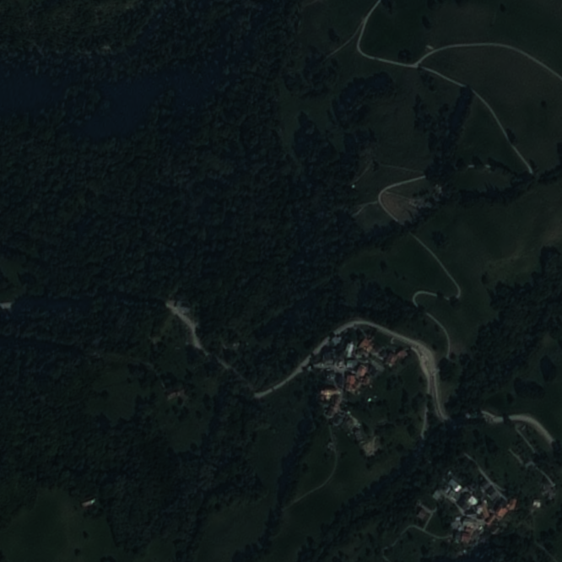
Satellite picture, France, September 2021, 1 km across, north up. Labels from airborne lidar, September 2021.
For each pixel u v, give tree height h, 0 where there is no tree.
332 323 11
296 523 0
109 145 35
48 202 31
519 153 0
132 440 13
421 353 0
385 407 6
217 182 8
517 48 0
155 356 22
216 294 30
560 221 0
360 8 0
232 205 16
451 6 0
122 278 29
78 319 27
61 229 21
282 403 0
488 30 0
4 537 0
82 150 26
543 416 0
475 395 26
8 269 0
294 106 0
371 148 9
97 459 33
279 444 0
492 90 0
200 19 29
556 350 0
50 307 0
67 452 31
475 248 0
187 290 24
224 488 17
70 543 0
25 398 30
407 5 0
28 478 20
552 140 0
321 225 27
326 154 25
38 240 7
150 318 16
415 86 0
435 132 12
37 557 0
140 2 23
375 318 25
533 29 0
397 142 0
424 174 0
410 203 0
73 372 21
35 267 20
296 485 20
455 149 16
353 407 8
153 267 36
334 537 11
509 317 19
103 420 0
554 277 21
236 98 29
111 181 24
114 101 13
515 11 0
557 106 0
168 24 28
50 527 0
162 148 26
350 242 21
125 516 23
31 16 13
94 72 13
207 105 31
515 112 0
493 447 13
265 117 26
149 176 22
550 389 0
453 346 0
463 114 21
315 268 19
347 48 0
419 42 0
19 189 33
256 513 0
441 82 0
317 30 0
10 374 34
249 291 32
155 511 27
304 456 17
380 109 0
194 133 29
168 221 28
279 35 26
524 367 22
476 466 7
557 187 0
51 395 27
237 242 24
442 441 36
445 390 0
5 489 23
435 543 0
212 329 21
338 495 0
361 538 14
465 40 0
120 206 29
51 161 26
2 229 22
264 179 28
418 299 0
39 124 26
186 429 0
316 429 13
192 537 17
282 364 13
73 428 32
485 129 0
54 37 17
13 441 30
